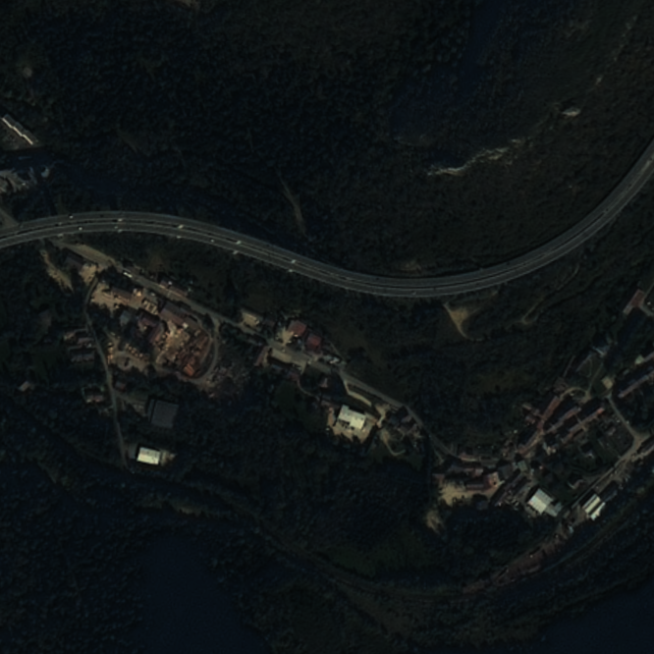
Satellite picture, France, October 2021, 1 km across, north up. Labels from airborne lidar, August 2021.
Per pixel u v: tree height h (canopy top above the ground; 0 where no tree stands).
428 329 9
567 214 7
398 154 14
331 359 0
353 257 18
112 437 19
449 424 12
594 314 14
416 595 9
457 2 28
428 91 7
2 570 25
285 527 27
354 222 15
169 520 21
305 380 7
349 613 21
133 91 19
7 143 0
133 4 31
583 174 13
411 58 21
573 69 11
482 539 20
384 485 18
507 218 10
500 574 0
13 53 9
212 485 23
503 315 15
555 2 11
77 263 0
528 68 9
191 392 12
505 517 11
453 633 10
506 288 12
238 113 29
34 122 23
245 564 15
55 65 35
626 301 0
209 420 18
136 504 21
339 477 21
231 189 23
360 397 0
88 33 38
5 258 15
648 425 14
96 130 18
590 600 8
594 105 13
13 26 11
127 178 17
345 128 21
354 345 0
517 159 14
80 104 23
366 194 17
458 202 13
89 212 17
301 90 20
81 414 25
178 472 12
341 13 22
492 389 0
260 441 23
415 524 15
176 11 20
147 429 8
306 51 18
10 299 16
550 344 14
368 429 0
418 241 9
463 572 17
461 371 23
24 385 0
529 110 7
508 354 6
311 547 16
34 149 0
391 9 21
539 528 10
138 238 16
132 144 0
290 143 34
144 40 25
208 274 0
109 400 9
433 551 23
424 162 14
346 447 12
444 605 8
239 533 25
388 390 0
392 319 15
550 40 9
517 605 13
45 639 29
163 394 16
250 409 20
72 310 19
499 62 19
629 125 9
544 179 11
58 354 0
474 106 12
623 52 7
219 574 10
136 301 0
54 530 34
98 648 29
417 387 21
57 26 24
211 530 18
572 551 13
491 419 18
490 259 15
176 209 18
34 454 17
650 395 22
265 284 25
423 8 23
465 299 15
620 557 8
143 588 25
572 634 0
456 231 9
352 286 0
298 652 7
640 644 34
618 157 18
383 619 0
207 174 13
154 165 21
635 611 10
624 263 17
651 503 10
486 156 11
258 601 29
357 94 25
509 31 11
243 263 18
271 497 28
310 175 20
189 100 11
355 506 24
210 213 12
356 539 26
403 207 14
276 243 19
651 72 14
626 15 6
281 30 24
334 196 20
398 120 7
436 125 12
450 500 0
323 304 27
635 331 15
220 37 23
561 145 21
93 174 17
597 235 12
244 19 18
